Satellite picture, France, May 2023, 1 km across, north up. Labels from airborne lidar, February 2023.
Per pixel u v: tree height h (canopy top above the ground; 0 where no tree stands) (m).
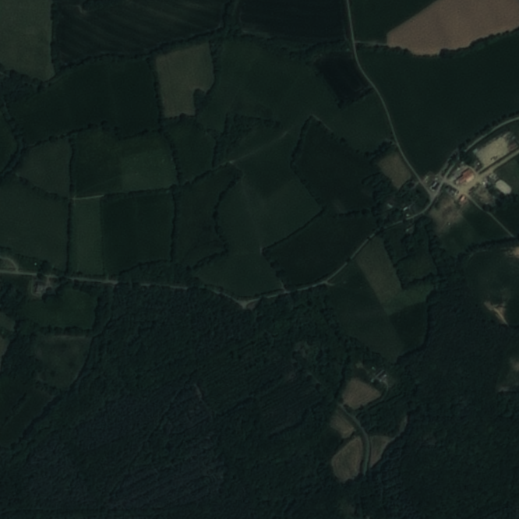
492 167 0
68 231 7
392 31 0
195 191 0
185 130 0
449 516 17
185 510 12
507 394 8
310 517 16
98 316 17
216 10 0
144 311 16
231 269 0
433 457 12
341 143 10
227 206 0
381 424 12
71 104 0
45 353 0
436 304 15
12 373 18
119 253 0
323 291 18
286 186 0
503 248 14
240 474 14
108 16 0
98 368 16
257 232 0
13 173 14
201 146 0
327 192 0
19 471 16
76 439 15
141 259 0
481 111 0
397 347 0
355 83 0
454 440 13
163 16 0
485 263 0
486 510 18
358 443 0
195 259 0
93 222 0
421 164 0
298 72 0
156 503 15
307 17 0
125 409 17
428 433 11
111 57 9
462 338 16
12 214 0
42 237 0
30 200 0
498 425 19
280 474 13
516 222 0
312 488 15
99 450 19
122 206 0
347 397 0
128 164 0
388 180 8
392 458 23
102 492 12
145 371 11
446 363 17
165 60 0
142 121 0
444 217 0
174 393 14
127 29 0
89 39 0
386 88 0
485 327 22
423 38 0
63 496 16
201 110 9
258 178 0
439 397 18
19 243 0
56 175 0
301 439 15
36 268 0
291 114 0
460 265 15
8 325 0
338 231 0
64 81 0
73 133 12
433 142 0
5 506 11
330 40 0
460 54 10
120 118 0
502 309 0
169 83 0
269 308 10
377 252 0
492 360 20
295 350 13
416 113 0
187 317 11
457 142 0
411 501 16
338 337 14
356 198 0
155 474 17
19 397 0
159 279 12
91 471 15
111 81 0
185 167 0
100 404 9
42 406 0
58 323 0
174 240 12
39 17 0
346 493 13
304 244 0
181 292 11
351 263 11
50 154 0
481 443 12
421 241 11
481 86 0
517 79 0
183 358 7
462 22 0
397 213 9
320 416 16
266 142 0
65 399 18
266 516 15
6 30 0
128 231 0
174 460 14
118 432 18
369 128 0
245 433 15
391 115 0
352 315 0
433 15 0
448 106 0
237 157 0
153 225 0
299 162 0
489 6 0
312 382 16
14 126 12
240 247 0
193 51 0
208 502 13
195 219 0
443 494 17
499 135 0
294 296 15
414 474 15
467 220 0
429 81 0
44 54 0
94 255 0
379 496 16
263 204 0
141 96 0
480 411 19
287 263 0
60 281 11
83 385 18
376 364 13
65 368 0
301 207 0
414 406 8
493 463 12
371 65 0
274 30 0
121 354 17
